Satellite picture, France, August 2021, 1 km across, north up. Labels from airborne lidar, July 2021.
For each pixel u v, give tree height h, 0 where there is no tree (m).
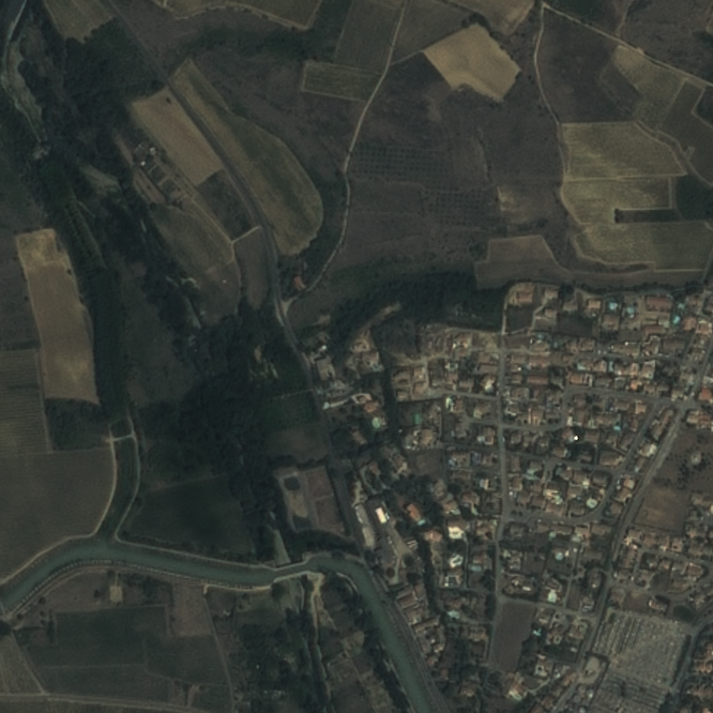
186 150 0
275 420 7
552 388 7
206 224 0
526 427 0
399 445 6
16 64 0
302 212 0
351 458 16
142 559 0
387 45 0
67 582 0
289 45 6
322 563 0
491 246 0
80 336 0
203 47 8
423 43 0
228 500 0
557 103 0
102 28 7
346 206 7
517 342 0
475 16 9
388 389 10
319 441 0
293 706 0
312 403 7
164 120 0
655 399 0
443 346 0
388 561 0
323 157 0
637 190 0
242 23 0
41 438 0
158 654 0
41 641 0
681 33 0
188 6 0
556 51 0
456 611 0
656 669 0
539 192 0
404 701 14
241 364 19
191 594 0
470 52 0
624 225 0
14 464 0
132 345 0
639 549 0
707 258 0
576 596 0
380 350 8
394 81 0
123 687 0
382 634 20
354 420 9
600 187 0
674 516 0
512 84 0
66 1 0
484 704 6
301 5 0
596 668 0
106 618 0
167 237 0
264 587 0
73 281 0
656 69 0
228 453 17
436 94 0
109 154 17
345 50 0
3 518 0
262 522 6
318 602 0
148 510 0
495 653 0
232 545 0
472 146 0
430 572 9
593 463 8
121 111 6
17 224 0
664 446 0
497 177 0
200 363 15
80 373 0
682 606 0
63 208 10
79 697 0
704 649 6
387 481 15
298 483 0
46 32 16
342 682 0
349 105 0
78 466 0
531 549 9
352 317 15
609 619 0
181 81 0
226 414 23
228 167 0
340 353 16
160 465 7
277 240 0
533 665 7
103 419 7
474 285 13
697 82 0
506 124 0
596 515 0
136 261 6
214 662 0
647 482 0
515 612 0
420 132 0
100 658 0
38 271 0
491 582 9
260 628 6
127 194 17
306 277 7
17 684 0
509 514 0
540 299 0
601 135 0
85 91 10
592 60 0
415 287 15
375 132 0
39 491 0
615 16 0
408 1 0
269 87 0
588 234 0
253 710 6
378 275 8
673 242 0
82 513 0
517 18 0
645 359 0
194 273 0
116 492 0
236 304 0
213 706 0
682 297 7
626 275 0
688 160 0
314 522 0
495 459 7
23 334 0
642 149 0
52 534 0
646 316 0
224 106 0
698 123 0
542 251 0
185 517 0
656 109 0
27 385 0
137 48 5
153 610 0
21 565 0
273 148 0
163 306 18
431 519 10
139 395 0
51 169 25
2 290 0
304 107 0
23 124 14
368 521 0
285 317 0
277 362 14
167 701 0
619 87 0
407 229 0
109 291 27
